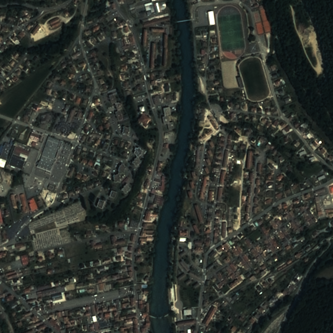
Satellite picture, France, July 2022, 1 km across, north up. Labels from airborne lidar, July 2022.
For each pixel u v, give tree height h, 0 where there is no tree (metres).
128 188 0
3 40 0
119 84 0
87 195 0
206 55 0
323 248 11
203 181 0
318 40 14
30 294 0
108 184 16
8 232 0
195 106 12
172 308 0
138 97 0
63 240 0
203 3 0
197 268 0
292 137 0
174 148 24
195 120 13
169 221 0
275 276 0
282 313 0
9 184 0
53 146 0
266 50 0
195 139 14
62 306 0
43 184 0
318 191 0
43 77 0
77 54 0
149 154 17
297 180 14
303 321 18
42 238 0
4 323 12
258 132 7
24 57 0
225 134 0
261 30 0
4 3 19
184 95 0
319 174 0
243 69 0
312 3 13
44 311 0
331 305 18
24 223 0
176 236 14
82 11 0
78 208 0
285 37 23
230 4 0
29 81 0
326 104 27
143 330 0
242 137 0
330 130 14
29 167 0
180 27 0
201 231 6
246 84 0
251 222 0
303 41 0
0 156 0
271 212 0
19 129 0
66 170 0
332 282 17
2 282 0
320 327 12
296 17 11
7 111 0
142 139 23
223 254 7
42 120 0
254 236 0
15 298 8
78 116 0
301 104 23
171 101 0
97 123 7
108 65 0
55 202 0
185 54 0
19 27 0
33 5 9
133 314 0
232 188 0
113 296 0
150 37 0
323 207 0
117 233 0
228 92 0
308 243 8
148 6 0
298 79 17
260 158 0
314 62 0
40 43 0
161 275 0
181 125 0
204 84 0
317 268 15
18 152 0
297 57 22
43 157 0
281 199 0
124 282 6
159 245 0
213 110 0
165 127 0
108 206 7
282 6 16
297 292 0
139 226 0
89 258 0
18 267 0
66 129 0
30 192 0
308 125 6
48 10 0
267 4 23
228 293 0
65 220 0
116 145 12
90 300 0
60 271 0
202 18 0
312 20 8
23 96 0
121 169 0
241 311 0
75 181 7
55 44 18
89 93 6
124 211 21
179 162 0
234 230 0
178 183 0
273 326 0
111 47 11
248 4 0
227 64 0
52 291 0
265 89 0
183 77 0
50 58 13
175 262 15
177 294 0
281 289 0
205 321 0
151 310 0
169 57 0
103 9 9
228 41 0
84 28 0
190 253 0
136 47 0
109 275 7
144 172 16
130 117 11
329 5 19
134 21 0
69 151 0
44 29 0
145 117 0
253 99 0
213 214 0
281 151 14
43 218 0
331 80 22
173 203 0
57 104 0
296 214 0
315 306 19
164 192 6
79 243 0
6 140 0
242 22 0
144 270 0
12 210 0
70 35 18
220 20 0
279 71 11
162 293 0
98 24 6
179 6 0
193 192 0
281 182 6
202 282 0
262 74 0
